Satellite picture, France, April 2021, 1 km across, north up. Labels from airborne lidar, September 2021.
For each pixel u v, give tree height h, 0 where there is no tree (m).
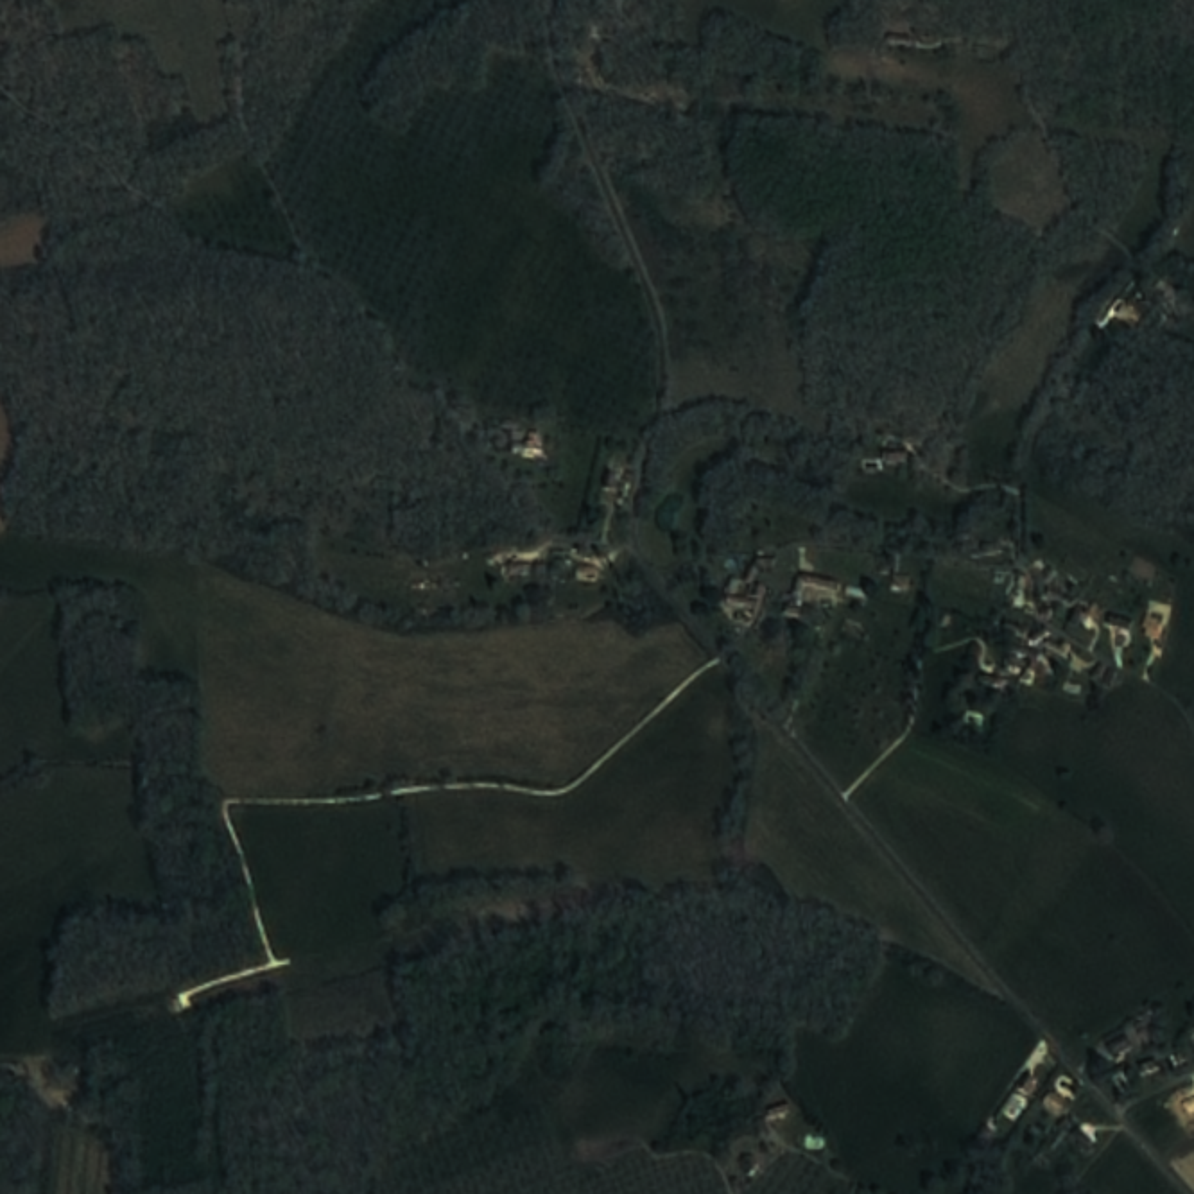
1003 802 0
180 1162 6
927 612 7
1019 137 14
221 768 0
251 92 11
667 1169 7
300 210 9
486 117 10
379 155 6
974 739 15
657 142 19
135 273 14
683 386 0
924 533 11
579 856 0
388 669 0
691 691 0
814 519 17
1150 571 0
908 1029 0
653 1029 23
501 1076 21
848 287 21
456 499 19
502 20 13
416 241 7
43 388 14
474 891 20
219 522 13
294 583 18
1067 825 0
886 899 0
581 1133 0
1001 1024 0
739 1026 15
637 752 0
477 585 0
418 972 13
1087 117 20
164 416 15
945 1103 0
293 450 12
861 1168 0
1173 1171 0
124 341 13
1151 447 14
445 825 0
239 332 15
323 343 16
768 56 22
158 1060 6
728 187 16
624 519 8
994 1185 23
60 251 23
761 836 0
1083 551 0
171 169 18
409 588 0
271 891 0
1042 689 0
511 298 0
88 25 0
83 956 18
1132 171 17
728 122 13
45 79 12
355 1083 19
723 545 13
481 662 0
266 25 15
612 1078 0
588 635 0
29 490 17
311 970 0
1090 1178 0
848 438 9
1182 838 0
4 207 7
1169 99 19
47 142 15
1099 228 18
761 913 19
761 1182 7
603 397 8
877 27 15
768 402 0
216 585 0
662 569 0
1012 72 12
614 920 24
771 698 12
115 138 12
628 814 0
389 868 0
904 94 0
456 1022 20
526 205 0
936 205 20
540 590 13
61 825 0
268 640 0
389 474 15
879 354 17
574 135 12
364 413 17
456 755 0
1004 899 0
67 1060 0
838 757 0
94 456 13
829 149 18
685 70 18
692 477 0
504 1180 11
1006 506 10
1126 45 20
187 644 0
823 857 0
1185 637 0
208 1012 7
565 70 16
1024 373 0
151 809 24
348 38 12
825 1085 0
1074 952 0
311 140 12
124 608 8
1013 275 19
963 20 15
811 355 13
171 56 0
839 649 7
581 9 13
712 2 0
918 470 11
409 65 21
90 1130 18
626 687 0
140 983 23
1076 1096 9
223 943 25
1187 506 8
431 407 17
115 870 0
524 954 13
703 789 0
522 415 9
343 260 10
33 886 0
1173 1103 0
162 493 14
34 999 0
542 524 18
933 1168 0
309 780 0
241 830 0
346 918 0
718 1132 11
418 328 12
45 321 13
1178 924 0
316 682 0
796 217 19
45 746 0
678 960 19
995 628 9
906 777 0
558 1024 21
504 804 0
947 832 0
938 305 16
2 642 0
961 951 0
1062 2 19
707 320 0
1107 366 16
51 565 0
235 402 15
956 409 10
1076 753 0
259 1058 19
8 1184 17
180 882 24
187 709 23
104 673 22
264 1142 16
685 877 0
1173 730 0
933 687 0
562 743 0
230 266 14
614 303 6
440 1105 23
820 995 26
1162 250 19
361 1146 16
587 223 19
